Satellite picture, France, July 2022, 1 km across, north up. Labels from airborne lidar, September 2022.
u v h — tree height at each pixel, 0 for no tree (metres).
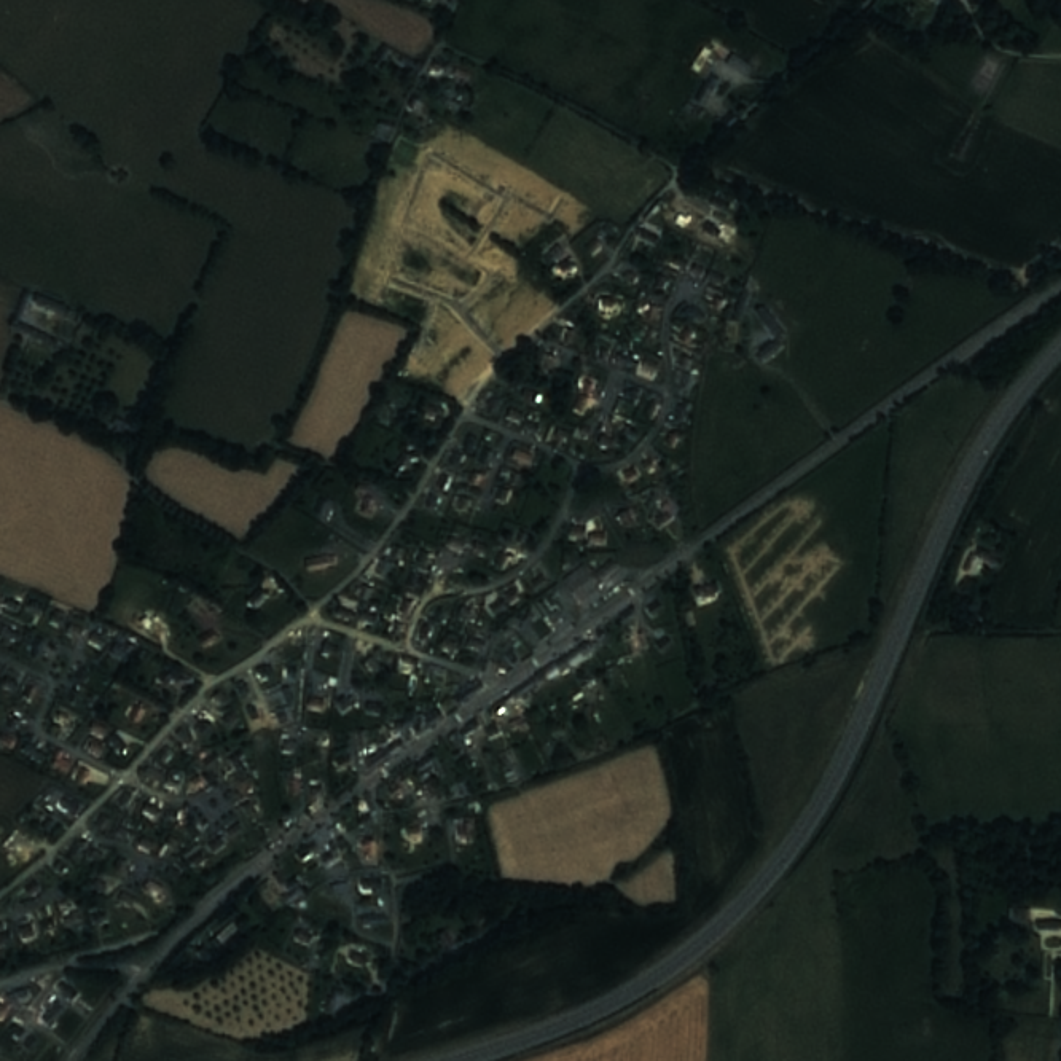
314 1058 0
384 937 0
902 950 0
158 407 19
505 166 0
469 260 0
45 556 0
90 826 0
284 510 12
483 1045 0
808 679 0
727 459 0
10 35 0
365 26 0
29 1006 0
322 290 0
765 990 0
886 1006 0
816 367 0
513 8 0
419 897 22
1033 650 0
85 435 12
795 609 0
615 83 0
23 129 0
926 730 0
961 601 10
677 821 8
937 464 0
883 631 0
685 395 0
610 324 0
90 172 0
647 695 6
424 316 0
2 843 0
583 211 0
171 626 0
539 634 0
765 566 0
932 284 0
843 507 0
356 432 7
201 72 0
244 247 0
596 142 0
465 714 0
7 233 0
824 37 7
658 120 0
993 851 17
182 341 13
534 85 8
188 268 0
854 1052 0
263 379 0
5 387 6
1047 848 14
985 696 0
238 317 0
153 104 0
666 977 0
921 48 21
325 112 0
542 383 16
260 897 11
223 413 0
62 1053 0
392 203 0
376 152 13
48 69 0
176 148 0
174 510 14
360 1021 7
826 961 0
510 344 0
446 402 9
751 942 0
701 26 0
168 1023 6
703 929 0
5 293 0
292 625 0
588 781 0
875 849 0
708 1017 0
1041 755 0
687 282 0
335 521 0
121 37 0
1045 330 10
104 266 0
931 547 0
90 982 16
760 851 0
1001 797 0
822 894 0
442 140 0
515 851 0
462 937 8
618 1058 0
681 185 12
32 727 0
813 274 0
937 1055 0
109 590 8
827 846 0
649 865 0
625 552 0
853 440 9
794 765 0
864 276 0
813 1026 0
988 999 17
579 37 0
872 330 0
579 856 0
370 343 0
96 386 6
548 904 21
